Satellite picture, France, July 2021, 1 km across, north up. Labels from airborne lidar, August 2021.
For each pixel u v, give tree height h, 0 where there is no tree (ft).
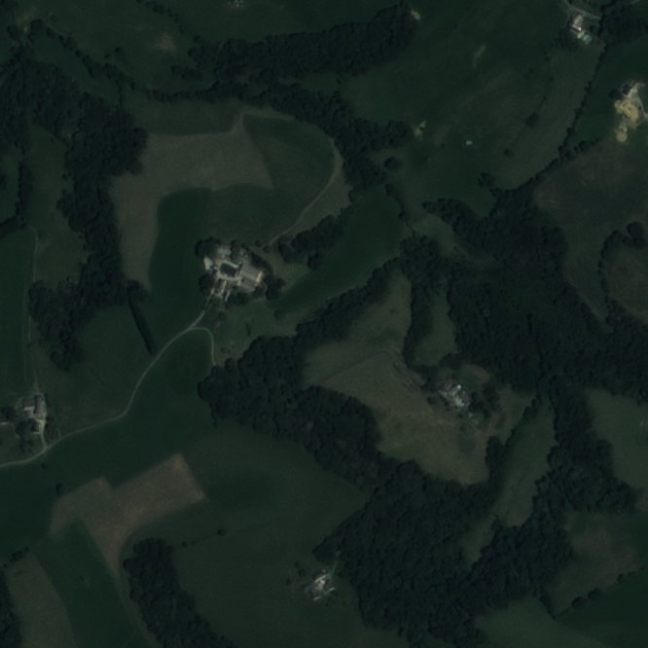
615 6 59
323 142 0
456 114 0
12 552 0
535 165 0
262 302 0
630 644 0
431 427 0
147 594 30
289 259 53
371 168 72
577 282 0
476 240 93
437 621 97
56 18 32
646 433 0
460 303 69
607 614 0
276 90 76
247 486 0
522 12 0
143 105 0
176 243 0
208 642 113
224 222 0
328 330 84
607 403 0
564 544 79
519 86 0
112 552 0
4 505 0
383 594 115
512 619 0
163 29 0
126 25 0
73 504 0
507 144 0
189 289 0
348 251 0
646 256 0
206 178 0
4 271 0
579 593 0
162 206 0
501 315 78
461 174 0
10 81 58
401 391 0
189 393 0
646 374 81
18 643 53
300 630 0
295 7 0
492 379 21
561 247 83
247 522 0
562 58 0
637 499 50
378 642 0
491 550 68
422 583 102
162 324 0
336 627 0
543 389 73
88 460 0
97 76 84
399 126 42
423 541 59
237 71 51
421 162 0
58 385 0
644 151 0
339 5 0
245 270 0
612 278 0
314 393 49
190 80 32
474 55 0
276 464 0
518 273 20
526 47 0
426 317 88
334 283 0
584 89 0
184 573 0
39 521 0
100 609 0
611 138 0
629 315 43
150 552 52
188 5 0
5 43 0
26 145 78
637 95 0
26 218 58
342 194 0
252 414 76
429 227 0
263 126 0
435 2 0
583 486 63
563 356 94
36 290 45
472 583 97
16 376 0
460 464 0
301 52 113
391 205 0
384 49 118
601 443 27
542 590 64
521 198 84
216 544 0
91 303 76
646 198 0
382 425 0
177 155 0
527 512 0
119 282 112
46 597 0
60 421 0
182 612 101
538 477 0
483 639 80
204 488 0
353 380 0
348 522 36
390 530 66
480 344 75
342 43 102
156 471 0
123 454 0
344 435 77
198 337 0
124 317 0
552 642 0
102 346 0
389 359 0
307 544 0
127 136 92
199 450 0
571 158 62
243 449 0
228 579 0
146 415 0
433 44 0
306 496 0
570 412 61
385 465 85
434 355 0
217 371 56
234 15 0
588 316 46
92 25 0
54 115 80
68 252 0
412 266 66
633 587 0
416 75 0
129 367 0
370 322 0
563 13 0
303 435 70
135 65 0
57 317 85
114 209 61
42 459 0
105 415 0
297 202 0
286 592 0
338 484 0
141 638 0
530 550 110
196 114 0
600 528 0
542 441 0
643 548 0
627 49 0
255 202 0
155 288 0
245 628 0
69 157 51
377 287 96
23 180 57
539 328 71
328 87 0
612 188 0
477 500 73
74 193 20
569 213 0
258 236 0
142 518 0
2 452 0
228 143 0
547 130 0
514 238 96
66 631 0
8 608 21
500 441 47
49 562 0
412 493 30
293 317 0
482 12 0
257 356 71
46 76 96
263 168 0
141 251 0
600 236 0
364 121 22
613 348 40
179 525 0
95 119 102
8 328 0
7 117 55
